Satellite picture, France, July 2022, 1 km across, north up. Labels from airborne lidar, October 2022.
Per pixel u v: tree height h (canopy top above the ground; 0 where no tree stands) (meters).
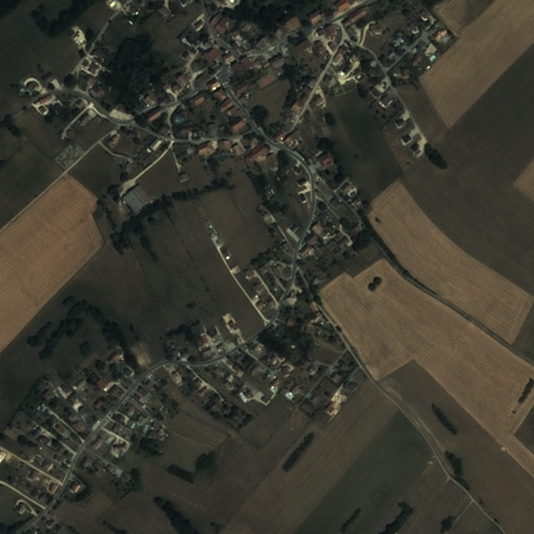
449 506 0
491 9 0
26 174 0
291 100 10
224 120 0
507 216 0
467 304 0
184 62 0
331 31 0
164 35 0
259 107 10
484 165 0
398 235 0
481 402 0
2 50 0
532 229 0
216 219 0
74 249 0
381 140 0
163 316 0
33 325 0
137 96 0
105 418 0
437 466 0
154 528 0
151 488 0
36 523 0
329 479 0
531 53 0
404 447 0
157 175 0
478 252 0
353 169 0
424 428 0
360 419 0
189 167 0
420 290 0
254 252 0
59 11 0
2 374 0
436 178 0
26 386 0
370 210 0
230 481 0
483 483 0
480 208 0
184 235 0
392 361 0
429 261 0
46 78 0
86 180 0
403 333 0
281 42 0
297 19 0
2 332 0
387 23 0
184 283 0
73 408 0
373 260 0
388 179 0
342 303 0
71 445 0
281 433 0
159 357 0
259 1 20
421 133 0
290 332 6
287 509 0
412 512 7
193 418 0
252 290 0
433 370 0
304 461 0
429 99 0
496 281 0
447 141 0
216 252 0
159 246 0
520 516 0
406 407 0
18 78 0
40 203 0
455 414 0
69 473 0
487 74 0
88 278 0
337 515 0
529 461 0
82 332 0
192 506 0
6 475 0
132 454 0
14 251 0
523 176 0
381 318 0
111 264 0
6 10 15
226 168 0
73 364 0
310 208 0
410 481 0
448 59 0
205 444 0
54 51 0
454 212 0
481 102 0
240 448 0
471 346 0
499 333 0
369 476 0
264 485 0
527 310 0
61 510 0
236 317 0
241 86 0
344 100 0
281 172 7
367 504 0
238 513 0
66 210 0
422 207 0
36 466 0
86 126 0
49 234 0
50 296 0
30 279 0
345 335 0
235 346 0
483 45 0
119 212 0
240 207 0
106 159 0
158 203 12
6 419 0
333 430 0
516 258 0
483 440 0
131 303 0
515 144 0
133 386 0
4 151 0
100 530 0
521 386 0
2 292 0
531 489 0
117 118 0
